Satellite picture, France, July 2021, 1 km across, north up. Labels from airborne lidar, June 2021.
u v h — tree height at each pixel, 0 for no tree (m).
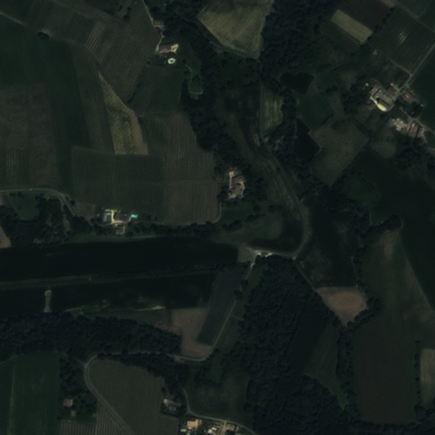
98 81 0
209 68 26
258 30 0
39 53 0
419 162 26
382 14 0
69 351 13
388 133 0
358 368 0
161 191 0
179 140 0
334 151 0
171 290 0
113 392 0
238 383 0
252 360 11
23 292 0
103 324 28
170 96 0
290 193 0
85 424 0
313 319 29
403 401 0
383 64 0
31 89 0
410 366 0
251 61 13
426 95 0
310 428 27
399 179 0
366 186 7
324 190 13
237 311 0
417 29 0
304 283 18
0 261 0
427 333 0
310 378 19
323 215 0
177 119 0
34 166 0
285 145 19
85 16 0
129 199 0
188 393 0
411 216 0
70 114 0
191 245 0
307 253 0
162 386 0
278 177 0
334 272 0
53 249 0
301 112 0
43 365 0
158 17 23
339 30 0
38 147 0
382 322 0
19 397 0
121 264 0
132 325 26
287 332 21
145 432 0
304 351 31
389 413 0
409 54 0
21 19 0
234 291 0
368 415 0
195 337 0
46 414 0
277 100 0
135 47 0
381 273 0
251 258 0
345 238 0
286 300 31
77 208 0
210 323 0
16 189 0
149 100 0
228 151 18
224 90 13
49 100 0
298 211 0
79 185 0
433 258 0
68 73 0
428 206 0
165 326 0
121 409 0
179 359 0
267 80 22
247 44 0
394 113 0
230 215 0
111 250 0
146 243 0
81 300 0
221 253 0
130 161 0
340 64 0
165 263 0
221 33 0
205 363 7
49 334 27
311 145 0
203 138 18
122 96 0
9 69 0
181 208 0
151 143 0
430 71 0
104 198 0
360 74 0
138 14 0
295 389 21
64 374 7
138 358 20
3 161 0
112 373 0
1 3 0
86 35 0
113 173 0
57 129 0
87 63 0
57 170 0
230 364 6
